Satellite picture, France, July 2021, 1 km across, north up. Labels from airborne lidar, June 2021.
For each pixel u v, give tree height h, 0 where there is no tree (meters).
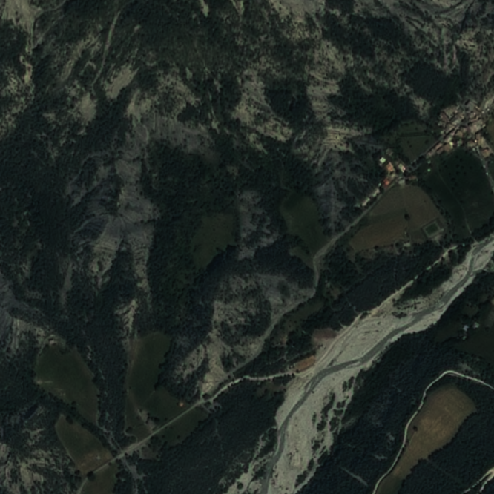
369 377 6
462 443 9
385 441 8
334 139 0
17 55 5
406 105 13
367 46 17
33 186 13
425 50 9
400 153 8
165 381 14
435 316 0
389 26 16
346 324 6
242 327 9
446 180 0
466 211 0
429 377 6
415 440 0
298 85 9
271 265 15
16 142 8
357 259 6
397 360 11
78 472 8
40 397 8
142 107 0
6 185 12
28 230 7
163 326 19
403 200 0
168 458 6
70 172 8
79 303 10
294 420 0
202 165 10
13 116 7
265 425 7
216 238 0
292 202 0
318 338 0
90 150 7
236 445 7
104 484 0
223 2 8
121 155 7
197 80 9
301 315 0
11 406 10
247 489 0
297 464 0
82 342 9
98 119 12
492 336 0
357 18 11
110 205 6
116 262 11
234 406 8
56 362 0
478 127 0
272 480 0
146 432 0
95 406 0
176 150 7
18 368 12
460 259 7
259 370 6
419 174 10
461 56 11
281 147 8
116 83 0
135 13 9
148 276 10
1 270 7
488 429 7
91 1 11
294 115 19
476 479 8
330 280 11
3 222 9
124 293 11
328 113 7
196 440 8
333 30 14
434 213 0
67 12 7
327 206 0
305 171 9
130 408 0
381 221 0
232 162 9
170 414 0
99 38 0
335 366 0
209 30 8
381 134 15
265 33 6
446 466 8
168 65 8
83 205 9
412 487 7
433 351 7
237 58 7
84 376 0
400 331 0
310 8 0
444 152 11
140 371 0
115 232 0
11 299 0
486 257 0
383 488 0
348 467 8
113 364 8
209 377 0
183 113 10
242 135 8
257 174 9
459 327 0
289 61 9
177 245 7
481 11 10
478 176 0
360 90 7
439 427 0
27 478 0
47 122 7
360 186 11
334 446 8
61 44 6
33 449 8
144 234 0
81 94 6
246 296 8
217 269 19
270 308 10
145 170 11
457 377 11
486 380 9
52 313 7
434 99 10
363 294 8
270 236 10
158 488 6
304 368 0
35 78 9
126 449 0
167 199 8
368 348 0
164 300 7
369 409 7
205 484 7
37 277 8
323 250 0
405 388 7
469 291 10
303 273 18
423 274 11
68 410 6
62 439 0
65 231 11
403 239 0
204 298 9
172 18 8
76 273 9
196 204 8
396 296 0
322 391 0
